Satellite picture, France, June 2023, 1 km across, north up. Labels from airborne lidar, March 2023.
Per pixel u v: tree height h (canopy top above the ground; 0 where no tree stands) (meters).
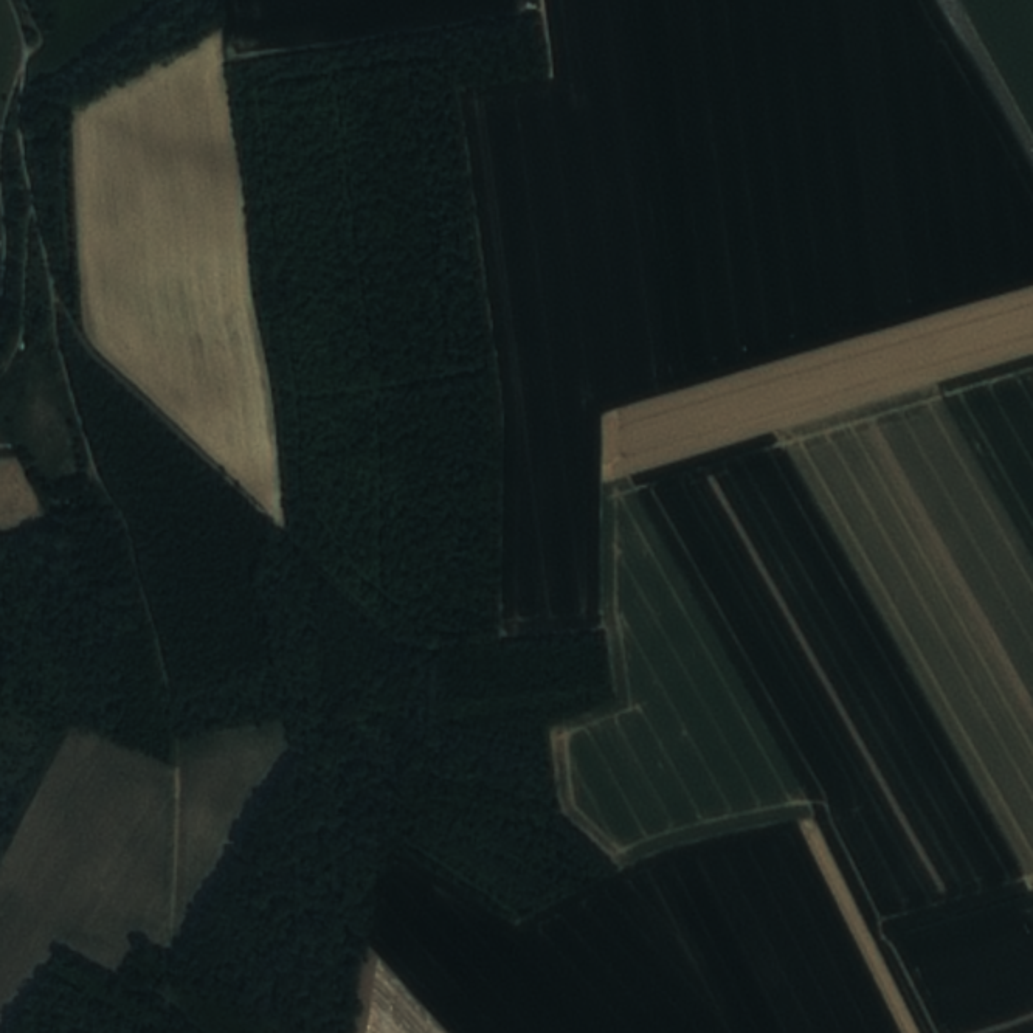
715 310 0
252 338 0
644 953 0
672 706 0
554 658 10
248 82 7
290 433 8
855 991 0
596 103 0
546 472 0
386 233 9
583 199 0
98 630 24
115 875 0
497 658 9
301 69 9
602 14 0
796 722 0
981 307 0
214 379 0
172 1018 16
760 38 0
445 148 12
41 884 0
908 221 0
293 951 19
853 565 0
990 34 0
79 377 10
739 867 0
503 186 0
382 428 8
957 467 0
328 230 8
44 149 14
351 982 20
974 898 0
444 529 8
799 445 0
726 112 0
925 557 0
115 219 0
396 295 12
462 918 0
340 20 0
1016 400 0
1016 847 0
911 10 0
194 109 0
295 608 23
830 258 0
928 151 0
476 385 12
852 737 0
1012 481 0
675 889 0
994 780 0
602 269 0
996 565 0
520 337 0
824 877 0
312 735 22
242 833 21
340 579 7
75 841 0
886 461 0
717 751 0
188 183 0
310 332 5
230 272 0
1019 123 0
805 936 0
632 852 0
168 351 0
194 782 0
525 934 0
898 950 0
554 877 8
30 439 0
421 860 11
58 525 18
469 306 12
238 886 16
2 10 0
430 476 10
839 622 0
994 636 0
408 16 0
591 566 0
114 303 0
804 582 0
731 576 0
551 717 11
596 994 0
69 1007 20
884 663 0
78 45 0
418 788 21
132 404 11
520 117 0
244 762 0
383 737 16
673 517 0
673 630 0
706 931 0
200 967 16
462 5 0
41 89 13
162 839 0
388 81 10
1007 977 0
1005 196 0
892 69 0
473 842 11
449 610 11
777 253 0
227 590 15
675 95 0
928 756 0
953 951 0
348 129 7
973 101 0
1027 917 0
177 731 15
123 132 0
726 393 0
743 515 0
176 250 0
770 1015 0
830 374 0
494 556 10
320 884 22
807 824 0
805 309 0
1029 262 0
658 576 0
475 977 0
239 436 0
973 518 0
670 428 0
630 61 0
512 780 16
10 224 15
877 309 0
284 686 17
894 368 0
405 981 0
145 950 20
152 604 15
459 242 13
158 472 15
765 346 0
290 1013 21
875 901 0
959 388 0
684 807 0
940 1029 0
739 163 0
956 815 0
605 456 0
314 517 12
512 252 0
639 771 0
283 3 0
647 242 0
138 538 16
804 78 0
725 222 0
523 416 0
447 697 13
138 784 0
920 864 0
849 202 0
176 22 16
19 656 19
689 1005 0
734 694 0
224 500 15
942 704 0
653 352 0
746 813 0
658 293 0
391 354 9
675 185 0
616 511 0
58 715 15
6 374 0
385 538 7
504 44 10
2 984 0
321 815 21
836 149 0
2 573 23
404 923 0
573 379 0
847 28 0
